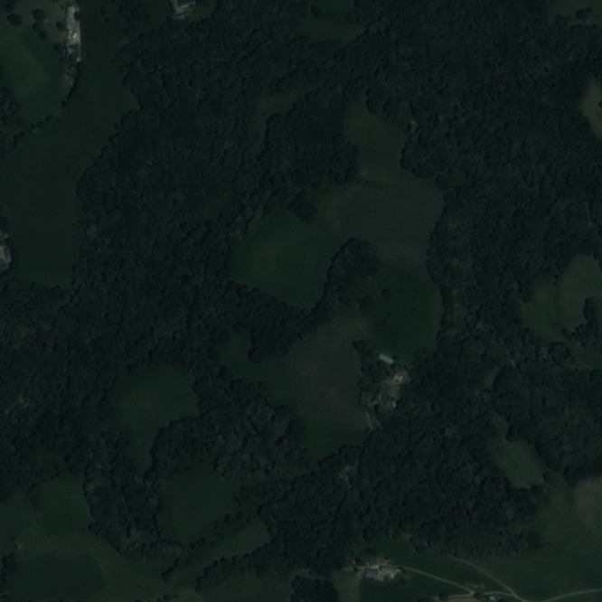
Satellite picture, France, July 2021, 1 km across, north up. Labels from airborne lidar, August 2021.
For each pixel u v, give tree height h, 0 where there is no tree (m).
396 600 0
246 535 0
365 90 17
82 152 0
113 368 18
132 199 30
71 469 8
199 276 11
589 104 0
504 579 0
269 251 0
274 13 22
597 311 19
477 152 25
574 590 0
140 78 28
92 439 31
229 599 0
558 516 0
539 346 30
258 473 21
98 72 0
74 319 30
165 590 0
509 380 24
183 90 31
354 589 0
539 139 18
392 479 25
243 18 21
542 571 0
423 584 0
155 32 11
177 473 9
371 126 0
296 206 22
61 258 0
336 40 6
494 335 20
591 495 0
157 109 30
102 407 21
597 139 20
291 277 0
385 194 0
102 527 20
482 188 21
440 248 20
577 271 0
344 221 0
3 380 20
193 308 19
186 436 11
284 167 25
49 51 0
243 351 0
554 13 14
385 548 0
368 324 0
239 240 16
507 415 20
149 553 23
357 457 21
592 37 20
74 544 0
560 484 0
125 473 24
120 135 16
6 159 12
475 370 25
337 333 0
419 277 0
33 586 0
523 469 0
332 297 18
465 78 20
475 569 0
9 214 0
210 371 24
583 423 12
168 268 23
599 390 29
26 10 0
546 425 20
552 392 20
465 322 22
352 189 0
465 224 20
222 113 31
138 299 30
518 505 29
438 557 0
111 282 28
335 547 20
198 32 25
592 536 0
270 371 0
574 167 19
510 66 29
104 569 0
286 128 18
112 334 10
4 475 14
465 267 21
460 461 23
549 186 28
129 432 0
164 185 17
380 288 0
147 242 21
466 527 23
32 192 0
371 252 22
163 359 27
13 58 0
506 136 29
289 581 0
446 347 22
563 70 24
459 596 0
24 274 0
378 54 22
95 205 29
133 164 27
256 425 27
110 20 12
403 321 0
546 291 0
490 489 26
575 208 23
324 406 0
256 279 0
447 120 8
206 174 19
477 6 19
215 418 17
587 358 0
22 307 21
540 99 19
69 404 35
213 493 0
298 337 7
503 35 22
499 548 17
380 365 14
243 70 25
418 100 26
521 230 29
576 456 18
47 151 0
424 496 22
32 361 29
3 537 0
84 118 0
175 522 0
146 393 0
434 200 0
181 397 0
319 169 13
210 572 19
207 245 28
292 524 20
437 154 22
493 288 30
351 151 14
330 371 0
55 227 0
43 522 0
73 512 0
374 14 12
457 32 19
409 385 10
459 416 27
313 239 0
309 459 21
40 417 26
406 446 28
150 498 9
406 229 0
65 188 0
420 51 23
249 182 14
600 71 20
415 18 18
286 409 19
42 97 0
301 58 14
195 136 20
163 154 26
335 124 9
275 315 21
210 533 0
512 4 24
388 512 27
